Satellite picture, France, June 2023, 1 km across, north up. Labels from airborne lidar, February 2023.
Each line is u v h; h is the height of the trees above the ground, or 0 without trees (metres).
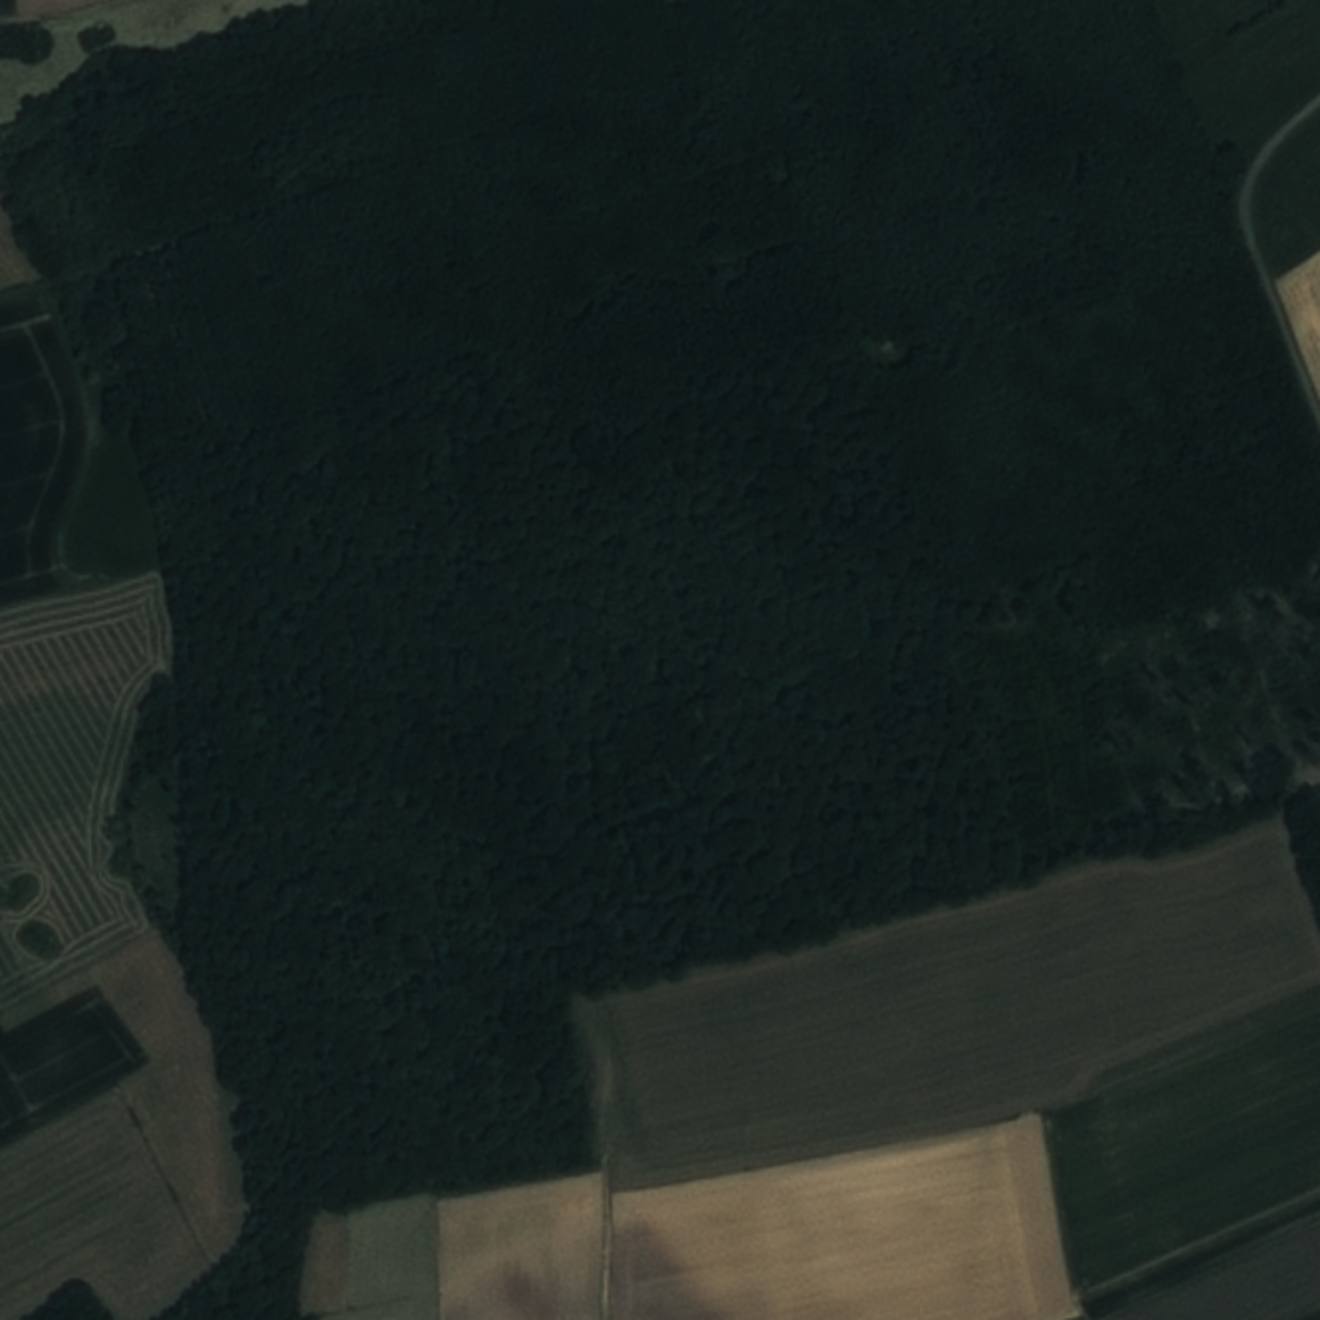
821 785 23
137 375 13
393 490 25
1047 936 0
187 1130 0
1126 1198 0
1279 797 21
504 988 25
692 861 28
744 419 27
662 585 21
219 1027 13
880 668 26
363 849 24
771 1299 0
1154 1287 0
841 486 32
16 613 0
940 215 20
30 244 14
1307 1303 0
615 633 27
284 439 24
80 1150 0
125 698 0
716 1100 0
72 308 8
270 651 25
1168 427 16
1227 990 0
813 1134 0
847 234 21
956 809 25
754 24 18
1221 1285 0
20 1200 0
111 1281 0
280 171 18
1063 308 15
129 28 0
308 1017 26
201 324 14
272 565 24
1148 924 0
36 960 0
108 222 6
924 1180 0
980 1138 0
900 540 28
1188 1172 0
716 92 17
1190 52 0
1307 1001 0
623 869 29
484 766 26
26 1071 0
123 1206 0
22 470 0
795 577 27
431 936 23
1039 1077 0
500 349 18
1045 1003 0
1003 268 16
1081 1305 0
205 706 18
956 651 29
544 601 25
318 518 24
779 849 29
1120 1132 0
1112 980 0
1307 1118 0
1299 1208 0
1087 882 0
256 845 24
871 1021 0
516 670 28
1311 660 31
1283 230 0
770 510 24
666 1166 0
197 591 20
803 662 26
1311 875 19
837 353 21
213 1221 0
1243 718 0
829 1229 0
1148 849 18
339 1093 24
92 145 16
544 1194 0
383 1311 0
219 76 19
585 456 28
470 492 26
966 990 0
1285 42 0
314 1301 0
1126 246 18
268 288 18
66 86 10
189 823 18
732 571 25
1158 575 12
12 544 0
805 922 26
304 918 26
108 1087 0
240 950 21
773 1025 0
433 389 23
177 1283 0
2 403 0
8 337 0
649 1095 0
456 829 21
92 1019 0
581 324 17
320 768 20
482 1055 18
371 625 27
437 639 29
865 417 26
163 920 7
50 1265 0
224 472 23
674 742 27
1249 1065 0
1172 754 0
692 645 24
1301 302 0
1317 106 0
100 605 0
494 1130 21
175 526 16
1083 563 24
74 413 0
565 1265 0
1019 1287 0
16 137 5
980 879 23
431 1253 0
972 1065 0
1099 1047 0
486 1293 0
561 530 23
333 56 11
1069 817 7
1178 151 19
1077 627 7
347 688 25
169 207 6
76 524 0
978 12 16
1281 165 0
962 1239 0
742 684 26
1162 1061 0
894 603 23
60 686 0
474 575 26
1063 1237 0
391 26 16
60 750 0
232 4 0
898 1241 0
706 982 0
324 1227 0
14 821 0
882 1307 0
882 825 29
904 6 17
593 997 21
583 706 26
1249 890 0
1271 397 14
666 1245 0
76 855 0
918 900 25
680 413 28
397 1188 14
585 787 25
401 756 27
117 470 0
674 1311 0
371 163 15
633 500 28
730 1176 0
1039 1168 0
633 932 26
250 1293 20
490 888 25
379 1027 25
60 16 0
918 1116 0
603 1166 0
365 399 19
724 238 27
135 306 17
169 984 0
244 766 22
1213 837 7
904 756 26
